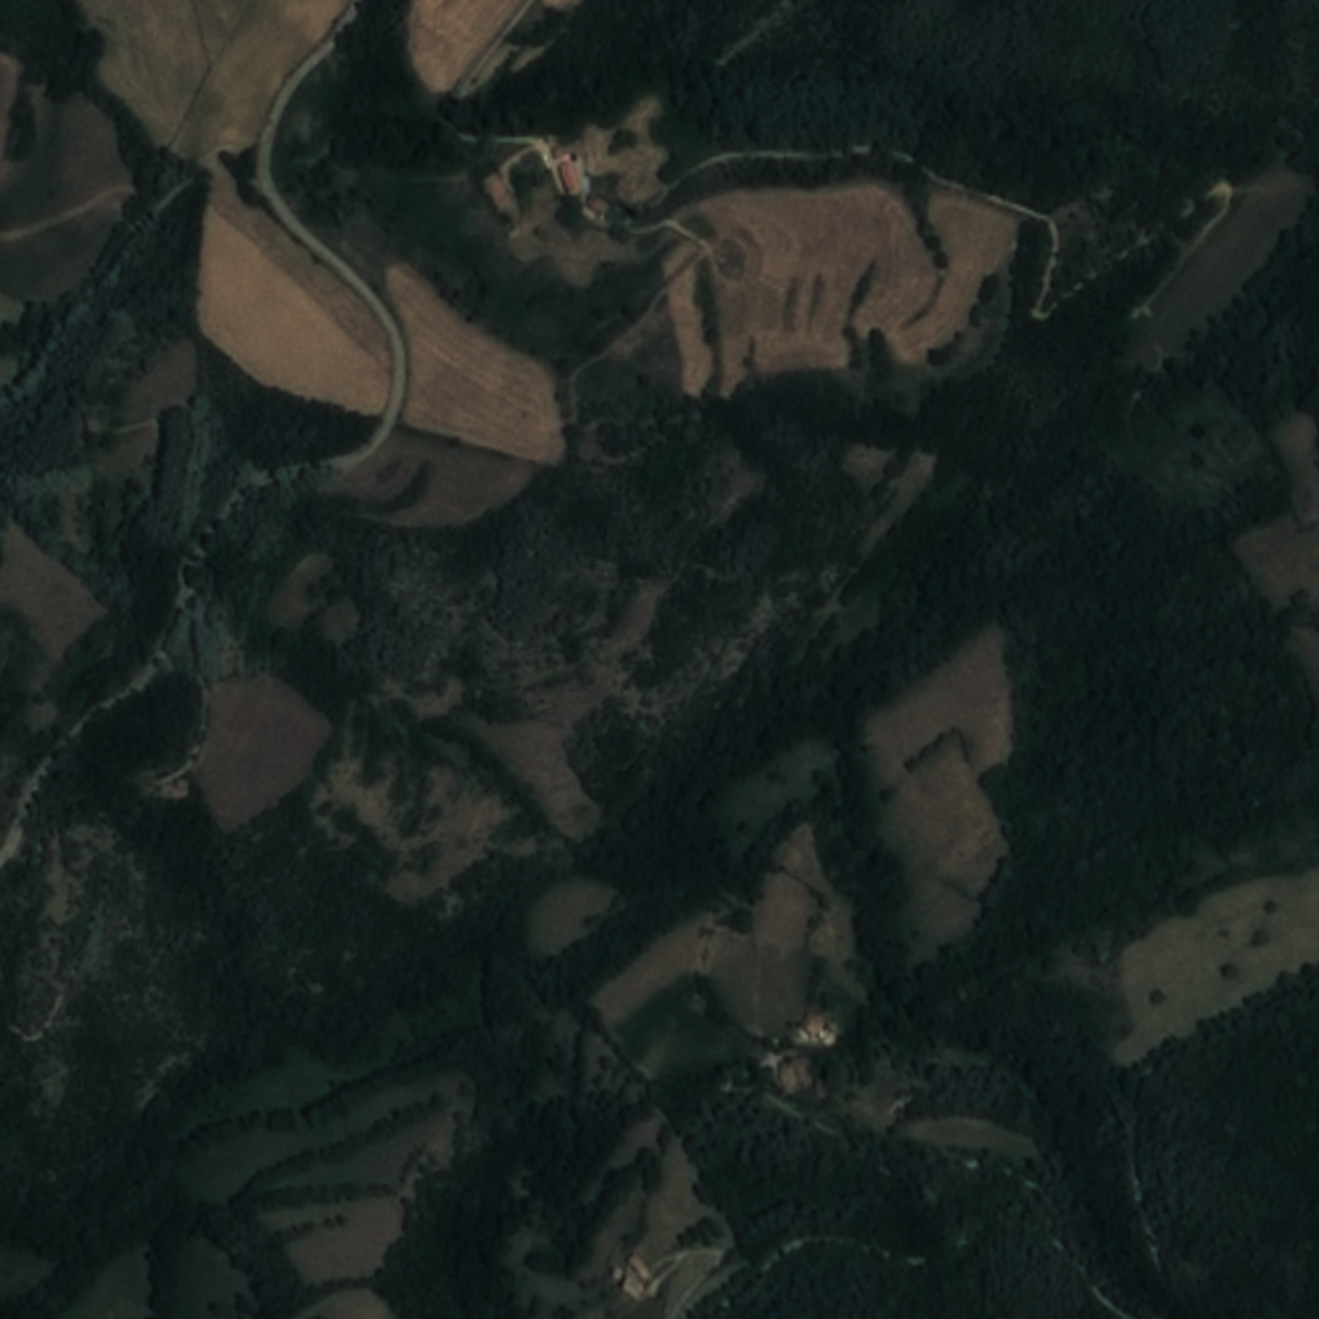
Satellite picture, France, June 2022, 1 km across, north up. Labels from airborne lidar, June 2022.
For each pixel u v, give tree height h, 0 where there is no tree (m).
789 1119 14
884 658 30
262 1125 14
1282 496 6
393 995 22
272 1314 13
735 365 0
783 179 12
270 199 12
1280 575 0
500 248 0
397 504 7
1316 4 14
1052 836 7
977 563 31
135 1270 0
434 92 0
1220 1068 15
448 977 29
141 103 0
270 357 0
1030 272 14
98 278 8
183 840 12
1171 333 0
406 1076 17
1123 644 21
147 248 15
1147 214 15
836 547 7
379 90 14
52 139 0
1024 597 10
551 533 15
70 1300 14
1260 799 12
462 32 0
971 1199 11
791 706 27
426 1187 13
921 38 11
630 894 10
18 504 22
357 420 13
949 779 0
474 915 17
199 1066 13
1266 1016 15
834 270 0
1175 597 13
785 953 0
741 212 0
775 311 0
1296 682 9
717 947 0
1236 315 21
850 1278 15
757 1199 9
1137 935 9
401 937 8
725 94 22
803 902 0
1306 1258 11
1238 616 10
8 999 10
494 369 0
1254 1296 6
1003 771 9
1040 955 12
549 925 0
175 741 7
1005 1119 13
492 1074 11
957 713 0
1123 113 14
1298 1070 11
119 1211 24
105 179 0
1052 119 24
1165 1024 0
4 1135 14
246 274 0
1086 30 7
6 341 11
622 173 0
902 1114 6
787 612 6
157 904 6
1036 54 11
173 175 14
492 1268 14
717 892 9
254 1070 22
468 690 8
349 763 0
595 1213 10
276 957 10
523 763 0
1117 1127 10
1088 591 21
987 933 7
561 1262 8
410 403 0
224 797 0
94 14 0
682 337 0
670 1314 0
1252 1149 14
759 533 17
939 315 0
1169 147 23
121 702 11
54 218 0
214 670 12
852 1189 11
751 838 7
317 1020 13
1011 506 25
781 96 27
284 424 12
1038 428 14
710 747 11
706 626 10
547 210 0
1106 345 20
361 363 0
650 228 0
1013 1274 17
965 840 0
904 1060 8
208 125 0
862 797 22
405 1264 15
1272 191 0
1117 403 19
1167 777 20
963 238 0
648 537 16
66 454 25
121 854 8
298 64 0
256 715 0
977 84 23
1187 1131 12
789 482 9
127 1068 10
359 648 14
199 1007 11
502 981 24
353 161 23
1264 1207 13
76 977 10
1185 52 22
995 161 20
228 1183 0
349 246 0
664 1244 0
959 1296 18
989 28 17
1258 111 8
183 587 12
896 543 10
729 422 9
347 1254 0
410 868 5
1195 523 10
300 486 18
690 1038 0
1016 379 15
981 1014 10
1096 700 13
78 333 21
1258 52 10
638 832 20
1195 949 0
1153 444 0
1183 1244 9
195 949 7
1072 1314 18
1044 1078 32
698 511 7
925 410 11
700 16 15
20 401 23
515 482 0
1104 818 15
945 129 19
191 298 13
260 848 7
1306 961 0
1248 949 0
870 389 0
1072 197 16
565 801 0
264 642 9
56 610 0
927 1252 13
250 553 18
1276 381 13
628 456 10
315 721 0
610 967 15
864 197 0
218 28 0
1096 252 16
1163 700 24
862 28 12
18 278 0
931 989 16
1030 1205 14
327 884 10
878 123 27
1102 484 14
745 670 9
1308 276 17
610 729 7
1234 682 13
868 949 21
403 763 6
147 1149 26
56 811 16
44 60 8
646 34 15
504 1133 23
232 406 11
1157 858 10
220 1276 0
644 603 0
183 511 18
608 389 0
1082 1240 14
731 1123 9
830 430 12
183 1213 15
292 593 0
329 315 0
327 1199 12
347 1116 12
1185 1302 13
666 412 15
